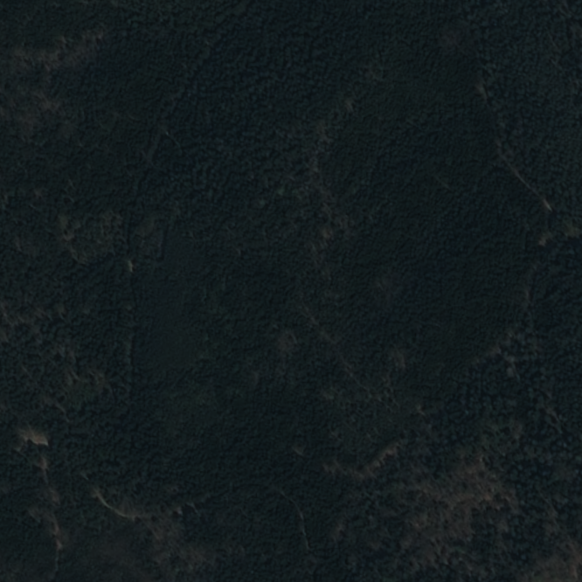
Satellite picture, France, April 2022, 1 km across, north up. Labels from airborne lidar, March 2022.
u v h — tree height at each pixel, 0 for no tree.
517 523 39
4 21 21
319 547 21
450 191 19
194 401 16
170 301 16
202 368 15
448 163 25
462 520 11
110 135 21
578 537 15
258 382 21
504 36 29
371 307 26
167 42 25
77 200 31
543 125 22
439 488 25
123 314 28
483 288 22
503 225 25
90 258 15
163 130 25
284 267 24
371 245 25
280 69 23
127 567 12
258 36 21
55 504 20
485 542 13
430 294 26
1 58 21
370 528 12
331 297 23
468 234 22
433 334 29
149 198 23
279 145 21
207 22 30
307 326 19
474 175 26
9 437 24
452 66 26
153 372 14
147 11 28
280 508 22
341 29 22
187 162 17
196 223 16
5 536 13
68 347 24
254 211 20
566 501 23
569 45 32
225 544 26
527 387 25
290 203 27
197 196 13
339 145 20
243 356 17
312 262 25
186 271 15
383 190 21
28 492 24
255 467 25
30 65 24
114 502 13
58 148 24
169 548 20
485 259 17
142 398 10
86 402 10
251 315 16
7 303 25
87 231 17
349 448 21
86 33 23
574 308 29
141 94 22
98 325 22
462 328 26
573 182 28
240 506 23
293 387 21
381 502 11
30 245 27
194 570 21
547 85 30
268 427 21
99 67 20
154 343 14
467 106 23
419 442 38
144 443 27
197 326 19
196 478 16
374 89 17
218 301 19
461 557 20
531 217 22
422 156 26
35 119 18
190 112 19
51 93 19
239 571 23
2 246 26
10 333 28
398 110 21
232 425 18
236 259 20
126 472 26
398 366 20
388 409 16
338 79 18
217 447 18
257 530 21
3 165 27
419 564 30
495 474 36
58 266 14
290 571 26
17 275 31
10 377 24
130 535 12
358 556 17
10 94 28
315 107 25
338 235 20
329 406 20
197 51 25
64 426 25
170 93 28
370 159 26
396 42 24
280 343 17
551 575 16
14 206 24
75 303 25
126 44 26
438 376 20
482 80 22
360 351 21
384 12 22
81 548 13
